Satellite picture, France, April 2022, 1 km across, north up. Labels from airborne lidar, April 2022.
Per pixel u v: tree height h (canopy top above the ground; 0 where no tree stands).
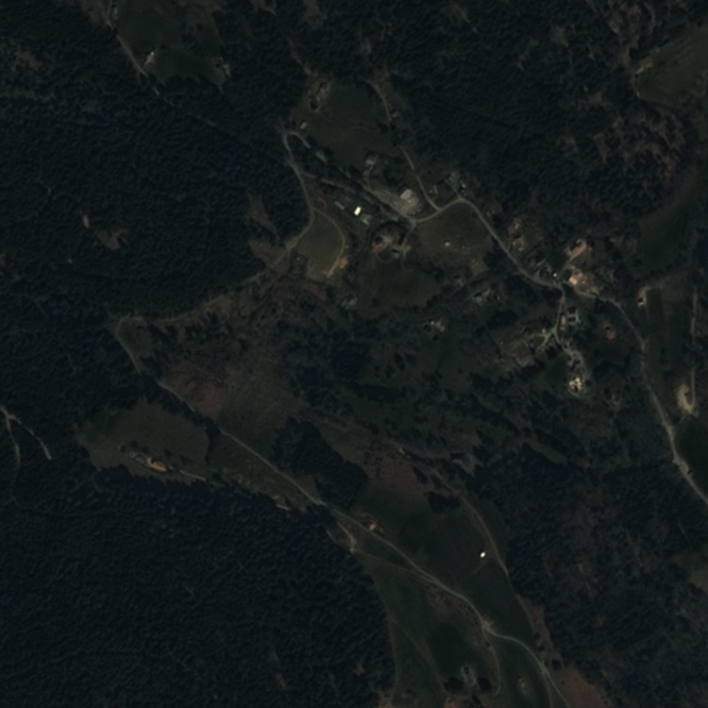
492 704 0
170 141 17
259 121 17
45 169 26
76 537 24
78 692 23
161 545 22
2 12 14
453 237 0
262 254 0
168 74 0
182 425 0
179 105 14
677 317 0
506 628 0
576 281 0
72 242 24
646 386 15
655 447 25
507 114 18
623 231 29
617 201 30
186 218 22
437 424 0
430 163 13
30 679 23
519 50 8
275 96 19
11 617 27
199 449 0
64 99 30
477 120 21
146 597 29
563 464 0
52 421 17
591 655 31
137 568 27
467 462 18
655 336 0
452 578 0
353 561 22
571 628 21
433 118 19
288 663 31
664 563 30
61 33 8
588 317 0
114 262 23
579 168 20
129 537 27
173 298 24
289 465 18
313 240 0
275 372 0
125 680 23
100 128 22
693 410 0
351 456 0
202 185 19
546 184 23
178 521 26
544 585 30
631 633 28
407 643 0
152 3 0
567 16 24
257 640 28
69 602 22
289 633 26
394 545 0
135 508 22
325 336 22
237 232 22
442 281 21
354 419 14
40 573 24
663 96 0
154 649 26
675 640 33
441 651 0
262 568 29
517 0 12
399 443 10
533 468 30
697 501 17
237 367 0
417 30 18
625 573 27
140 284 23
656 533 28
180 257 14
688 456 0
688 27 16
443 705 0
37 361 14
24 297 13
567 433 32
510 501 27
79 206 27
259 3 0
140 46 0
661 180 36
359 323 23
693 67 0
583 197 25
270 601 27
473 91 23
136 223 19
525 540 29
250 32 14
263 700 28
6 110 20
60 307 25
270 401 0
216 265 19
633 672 28
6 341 15
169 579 28
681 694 22
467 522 0
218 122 17
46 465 14
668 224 0
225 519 27
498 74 19
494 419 22
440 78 22
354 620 23
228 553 25
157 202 23
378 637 24
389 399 25
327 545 26
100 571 24
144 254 25
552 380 0
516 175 27
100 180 26
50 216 22
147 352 0
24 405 16
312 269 0
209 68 0
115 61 12
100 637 25
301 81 25
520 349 0
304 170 22
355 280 21
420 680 0
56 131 20
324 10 20
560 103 23
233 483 0
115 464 0
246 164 29
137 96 17
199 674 29
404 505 0
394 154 0
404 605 0
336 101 0
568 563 32
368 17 22
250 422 0
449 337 0
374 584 18
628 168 8
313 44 17
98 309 32
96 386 15
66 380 16
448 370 0
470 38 21
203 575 21
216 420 0
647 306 0
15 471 15
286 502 0
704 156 16
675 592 30
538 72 21
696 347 22
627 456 24
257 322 17
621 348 0
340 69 20
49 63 35
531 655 0
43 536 22
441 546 0
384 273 0
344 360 28
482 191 7
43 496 24
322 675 34
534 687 0
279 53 20
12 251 22
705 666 24
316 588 21
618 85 22
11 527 26
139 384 18
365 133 0
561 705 0
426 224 0
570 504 26
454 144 21
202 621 22
